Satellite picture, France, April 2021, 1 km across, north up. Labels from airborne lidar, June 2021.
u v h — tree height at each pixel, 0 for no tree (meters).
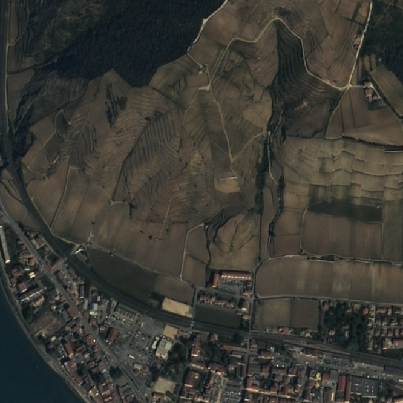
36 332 0
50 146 0
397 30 8
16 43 0
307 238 0
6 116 0
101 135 0
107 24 7
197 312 0
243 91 0
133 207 13
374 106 15
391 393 12
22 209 0
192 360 0
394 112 10
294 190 0
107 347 0
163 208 0
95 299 0
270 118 6
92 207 0
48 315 0
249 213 6
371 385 0
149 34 14
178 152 6
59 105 0
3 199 0
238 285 9
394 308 9
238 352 0
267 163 10
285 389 0
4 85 0
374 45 13
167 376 16
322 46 0
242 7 0
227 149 0
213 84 0
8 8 0
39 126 0
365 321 16
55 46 6
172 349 0
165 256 0
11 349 0
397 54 22
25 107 0
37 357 0
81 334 17
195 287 11
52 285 6
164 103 0
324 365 0
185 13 7
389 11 7
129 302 0
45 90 0
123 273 0
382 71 0
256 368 0
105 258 0
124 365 0
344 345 19
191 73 0
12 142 9
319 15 0
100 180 0
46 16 0
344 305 9
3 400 0
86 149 0
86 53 6
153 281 0
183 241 0
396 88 0
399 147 8
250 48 0
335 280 0
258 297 7
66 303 0
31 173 0
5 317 0
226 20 0
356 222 0
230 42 0
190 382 0
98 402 0
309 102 0
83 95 0
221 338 8
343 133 0
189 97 0
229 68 0
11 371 0
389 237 0
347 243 0
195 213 0
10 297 12
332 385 0
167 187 0
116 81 0
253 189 0
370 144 6
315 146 0
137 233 0
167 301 0
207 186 0
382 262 8
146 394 0
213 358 9
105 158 0
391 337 0
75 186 0
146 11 8
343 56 0
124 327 0
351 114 0
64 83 0
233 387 6
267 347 10
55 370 0
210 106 0
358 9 7
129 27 8
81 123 0
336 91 0
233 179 0
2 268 13
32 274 0
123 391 0
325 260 7
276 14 0
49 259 6
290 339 0
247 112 0
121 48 8
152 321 0
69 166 0
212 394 7
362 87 0
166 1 7
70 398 0
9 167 0
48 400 0
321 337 8
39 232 9
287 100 0
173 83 0
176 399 16
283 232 0
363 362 0
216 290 13
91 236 0
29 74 0
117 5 15
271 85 6
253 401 0
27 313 17
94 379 22
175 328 0
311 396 0
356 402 9
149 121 13
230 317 0
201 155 0
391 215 0
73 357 0
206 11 8
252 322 7
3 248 0
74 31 7
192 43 6
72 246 6
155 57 7
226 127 0
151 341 0
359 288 0
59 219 0
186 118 0
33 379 0
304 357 0
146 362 0
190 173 0
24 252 0
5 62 0
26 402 0
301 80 0
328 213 0
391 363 0
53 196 0
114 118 0
